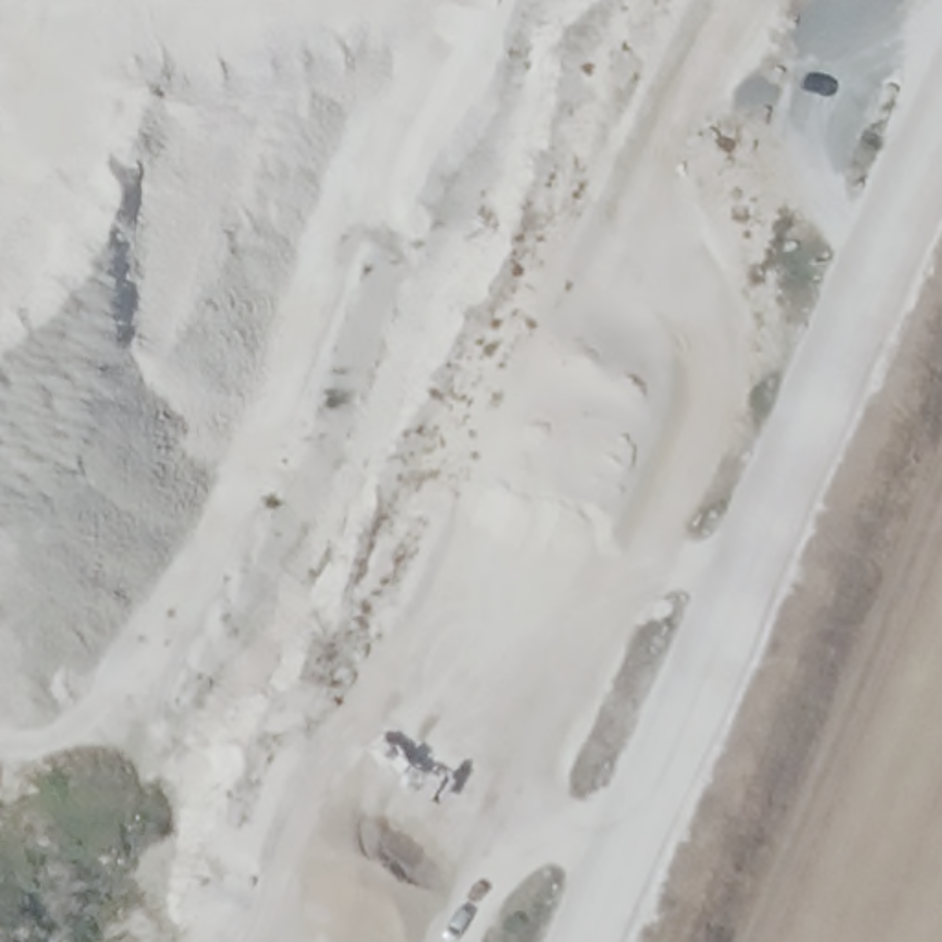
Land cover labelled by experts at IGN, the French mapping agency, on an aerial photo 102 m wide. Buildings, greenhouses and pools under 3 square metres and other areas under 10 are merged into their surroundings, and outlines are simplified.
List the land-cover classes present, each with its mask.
<instances>
[{"label":"pervious surface","instance_id":"1","mask_svg":"<svg viewBox=\"0 0 942 942\"><path fill-rule=\"evenodd\" d=\"M791 0H0V802L37 795V773L48 769L44 758L70 747H114L136 762L140 780H162L173 802V835L151 843L140 854L136 883L144 898L129 916L103 927L107 942H486L497 931L511 890L537 868L552 865L563 868V894L545 924L548 942H640L659 924V898L673 854L688 839L695 806L714 780V765L729 743L740 703L769 648L776 615L802 574V552L817 534V519L824 511L835 471L857 434L868 401L883 390L902 331L920 305V291L935 272V250L942 243V0H905V22L898 29L902 59L894 74L879 81V92L872 96L850 144H861L865 132H879L883 144L876 151V162L868 166L865 184H846L843 173L832 169L824 144H806L791 129V92L776 96L773 121H762L754 107H736V88L787 37ZM780 210L813 221V228L832 247L806 324H784L776 302V269L765 276V283L747 280V269L762 261L769 250ZM769 368L780 372L784 383L769 419L762 423L754 449L743 460L729 511L714 523L707 537H688V515L710 493L721 456L740 442L743 427L751 423V386ZM670 592H688V607L670 640V651L662 655L640 699L637 725L615 762V773L592 795L574 798V762L603 703L611 699L615 677L626 662V648L644 622L670 615Z\"/></svg>","mask_w":942,"mask_h":942},{"label":"herbaceous vegetation","instance_id":"2","mask_svg":"<svg viewBox=\"0 0 942 942\"><path fill-rule=\"evenodd\" d=\"M883 144L879 132H865L861 144H850V166L843 173L846 184H865L868 166L876 162V151ZM832 247L813 228V221L780 210L769 250L762 261L747 269V280L765 283V276L776 269V302L784 324H806ZM942 442V243L935 250V272L920 291V305L902 331L883 390L868 401L857 434L835 471L824 511L817 519V534L802 552V574L776 615L769 648L740 703L729 743L714 765V780L695 806L688 839L673 854L659 898V924L640 942H736L732 931L743 924L747 905L762 890V876L787 824L791 802L802 787L824 721L832 714L839 677L850 662V648L883 585L879 537L890 519H909L913 508L898 500L909 489V478L924 453L938 449ZM784 383L780 372L769 368L751 386V423L743 427L740 442L721 456L710 493L688 515V537H707L714 523L729 511L743 460L754 449L762 423L769 419ZM688 607V592H670V615L644 622L626 648V662L615 677L611 699L603 703L574 762V798L592 795L615 773V762L637 725L640 699L662 655L670 651V640ZM48 769L37 773V795L0 802V942H107L103 927L129 916L144 898L136 883L140 854L151 843L173 835V802L162 780H140L136 762L114 747H70L44 758ZM563 894V868L552 865L537 868L511 890L497 931L486 942H548L545 924Z\"/></svg>","mask_w":942,"mask_h":942},{"label":"plowed land","instance_id":"3","mask_svg":"<svg viewBox=\"0 0 942 942\"><path fill-rule=\"evenodd\" d=\"M913 508L909 519H890L879 537L883 585L850 648V662L839 677L832 714L824 721L802 787L791 802L787 824L762 876V890L747 905L743 924L732 931L736 942H942V442L938 449L924 453L909 478V489L898 500Z\"/></svg>","mask_w":942,"mask_h":942},{"label":"impervious surface","instance_id":"4","mask_svg":"<svg viewBox=\"0 0 942 942\"><path fill-rule=\"evenodd\" d=\"M905 22V0H791L787 37L736 88V107H754L762 121H773L776 96L791 92V129L806 144H824L832 169L843 173L850 166V144L872 96L879 92V81L894 74L902 59L898 29Z\"/></svg>","mask_w":942,"mask_h":942}]
</instances>
